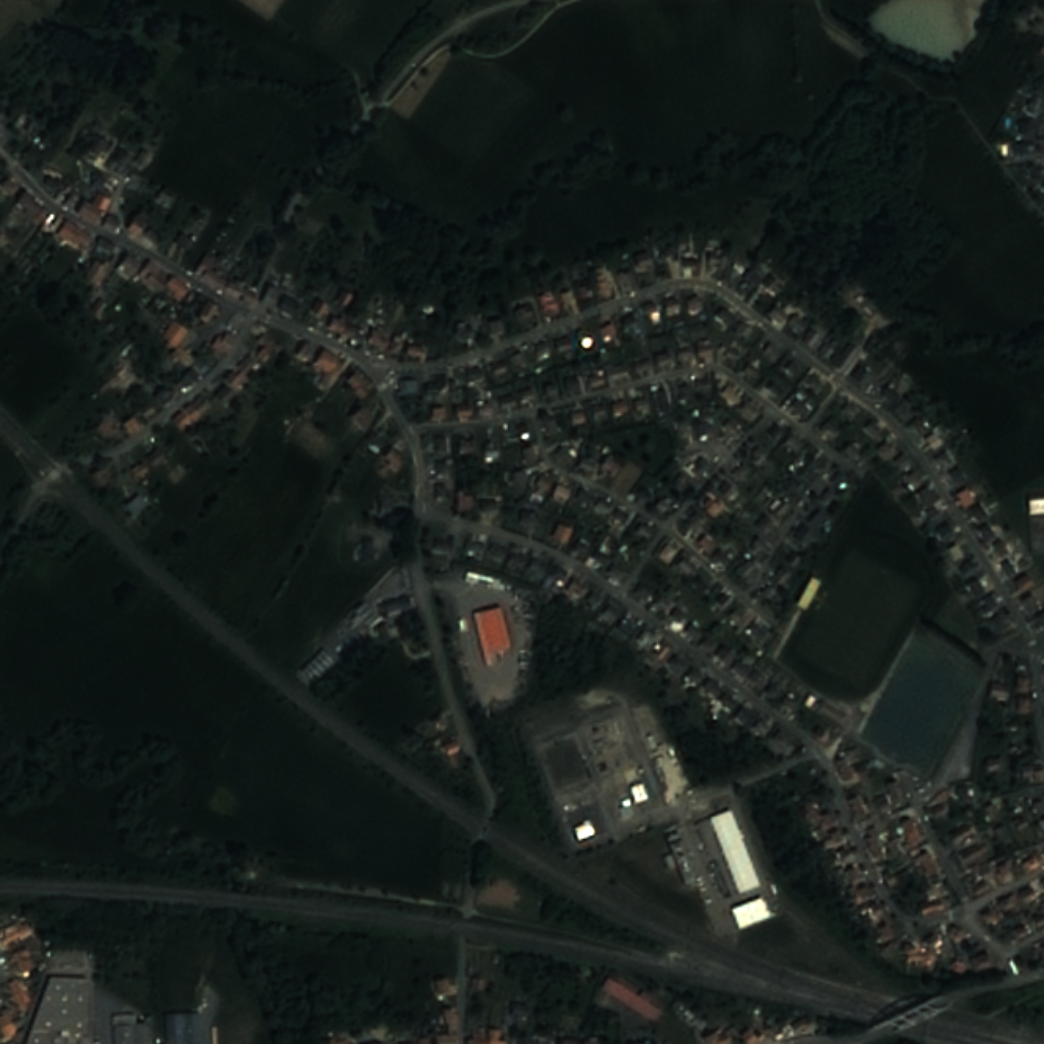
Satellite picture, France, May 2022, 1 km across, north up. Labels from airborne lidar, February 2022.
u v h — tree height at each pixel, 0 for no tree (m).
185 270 0
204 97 0
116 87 14
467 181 0
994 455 0
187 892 0
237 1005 0
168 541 0
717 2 0
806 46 0
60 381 0
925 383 0
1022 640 0
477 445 0
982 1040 0
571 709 0
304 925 0
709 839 0
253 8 0
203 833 0
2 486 0
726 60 0
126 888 0
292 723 0
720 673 0
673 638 0
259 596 0
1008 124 0
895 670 0
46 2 0
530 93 0
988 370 0
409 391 0
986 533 0
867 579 0
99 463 11
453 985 0
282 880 0
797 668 0
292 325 0
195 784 0
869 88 16
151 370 8
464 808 0
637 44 0
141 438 0
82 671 0
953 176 0
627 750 0
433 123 0
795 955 0
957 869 0
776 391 0
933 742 0
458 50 9
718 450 0
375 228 0
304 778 0
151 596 0
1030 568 0
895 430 0
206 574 0
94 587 0
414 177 0
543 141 0
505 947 0
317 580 0
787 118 0
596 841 0
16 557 14
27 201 0
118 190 0
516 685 0
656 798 0
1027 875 0
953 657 0
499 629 0
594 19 0
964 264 0
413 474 0
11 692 0
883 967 7
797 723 0
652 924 0
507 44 7
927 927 0
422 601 0
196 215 9
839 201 20
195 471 0
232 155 0
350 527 0
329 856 0
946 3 0
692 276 0
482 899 0
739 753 13
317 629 0
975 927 0
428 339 11
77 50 18
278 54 0
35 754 16
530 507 0
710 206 0
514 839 0
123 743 0
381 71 12
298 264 0
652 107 0
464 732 0
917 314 12
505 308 9
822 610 0
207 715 0
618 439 0
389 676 0
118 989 0
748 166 0
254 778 0
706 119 0
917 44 0
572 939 0
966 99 0
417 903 0
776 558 0
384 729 0
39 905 6
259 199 0
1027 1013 10
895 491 0
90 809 0
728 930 0
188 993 0
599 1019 7
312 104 0
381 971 6
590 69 0
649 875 0
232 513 0
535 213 0
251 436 0
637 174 18
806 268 9
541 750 0
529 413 0
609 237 0
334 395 0
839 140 20
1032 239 0
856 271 26
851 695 0
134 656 0
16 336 0
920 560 0
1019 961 9
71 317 8
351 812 0
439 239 18
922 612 0
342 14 0
